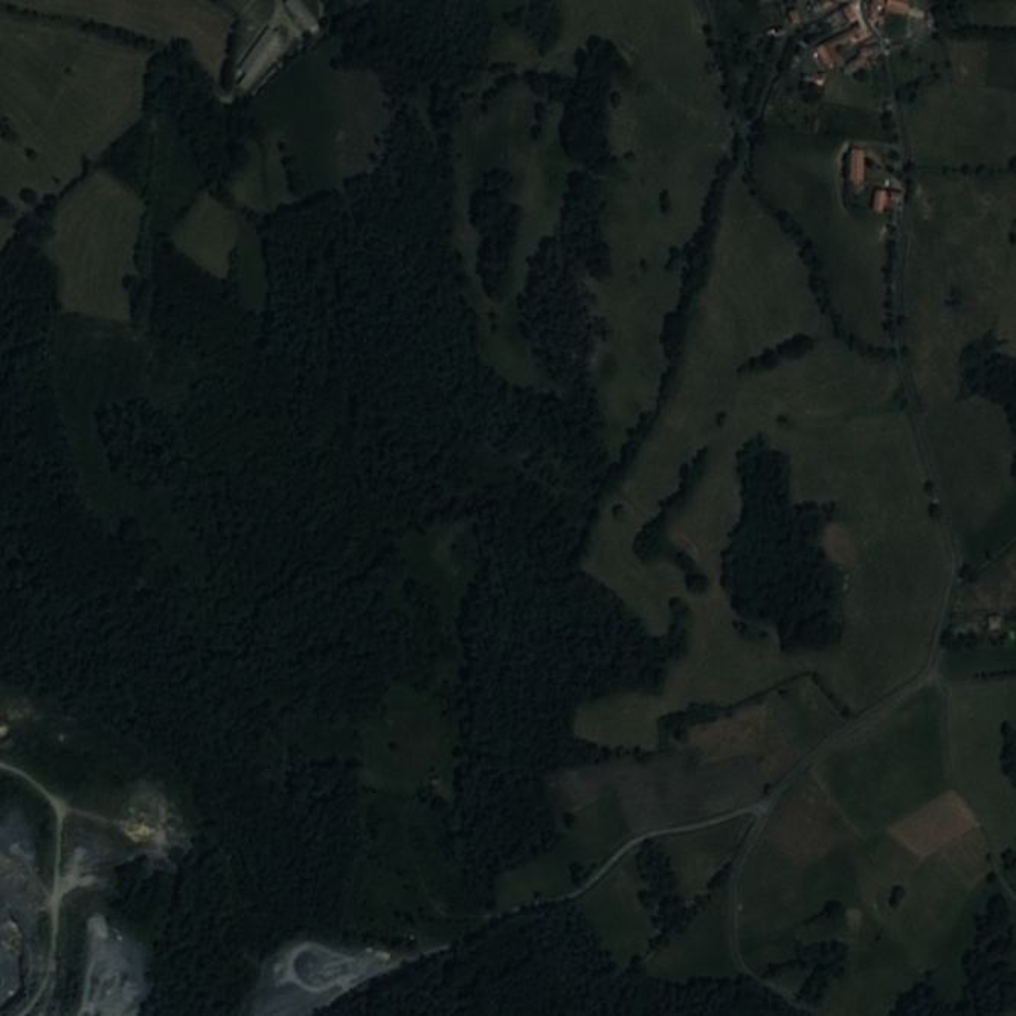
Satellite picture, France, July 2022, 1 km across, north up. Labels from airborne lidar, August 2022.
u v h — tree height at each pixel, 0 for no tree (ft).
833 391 0
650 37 0
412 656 59
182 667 67
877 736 0
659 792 0
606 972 89
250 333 29
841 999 0
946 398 0
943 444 0
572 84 26
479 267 0
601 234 35
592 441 61
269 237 34
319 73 0
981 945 29
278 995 0
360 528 25
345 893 48
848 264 0
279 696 67
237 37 35
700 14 0
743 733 0
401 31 68
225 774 40
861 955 0
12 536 75
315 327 46
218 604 35
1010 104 0
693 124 0
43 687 31
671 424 0
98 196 0
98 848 0
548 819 60
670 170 0
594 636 25
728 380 0
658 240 0
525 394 64
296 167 28
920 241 0
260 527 29
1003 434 0
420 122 51
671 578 0
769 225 0
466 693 30
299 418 75
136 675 53
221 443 29
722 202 31
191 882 54
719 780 0
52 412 64
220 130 49
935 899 0
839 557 0
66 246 0
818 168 0
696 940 0
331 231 73
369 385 60
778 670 0
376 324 63
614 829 0
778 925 0
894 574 0
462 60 45
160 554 68
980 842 0
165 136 0
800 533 26
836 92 0
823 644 53
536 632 47
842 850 0
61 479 73
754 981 42
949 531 0
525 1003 65
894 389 0
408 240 39
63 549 70
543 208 0
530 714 44
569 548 30
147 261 56
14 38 0
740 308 0
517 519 20
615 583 0
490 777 59
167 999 48
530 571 54
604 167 47
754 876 0
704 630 0
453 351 51
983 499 0
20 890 0
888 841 0
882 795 0
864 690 0
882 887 0
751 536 30
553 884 0
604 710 0
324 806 69
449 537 0
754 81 33
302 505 31
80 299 0
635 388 0
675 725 27
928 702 0
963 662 0
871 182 0
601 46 56
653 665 50
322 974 0
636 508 0
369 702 65
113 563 61
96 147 0
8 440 77
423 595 68
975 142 0
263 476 30
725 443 0
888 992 0
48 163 0
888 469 0
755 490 47
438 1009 68
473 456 22
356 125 0
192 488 24
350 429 42
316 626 68
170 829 0
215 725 41
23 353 68
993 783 0
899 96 27
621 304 0
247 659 45
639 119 0
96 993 0
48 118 0
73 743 0
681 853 0
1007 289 0
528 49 0
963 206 0
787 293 0
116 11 0
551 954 73
